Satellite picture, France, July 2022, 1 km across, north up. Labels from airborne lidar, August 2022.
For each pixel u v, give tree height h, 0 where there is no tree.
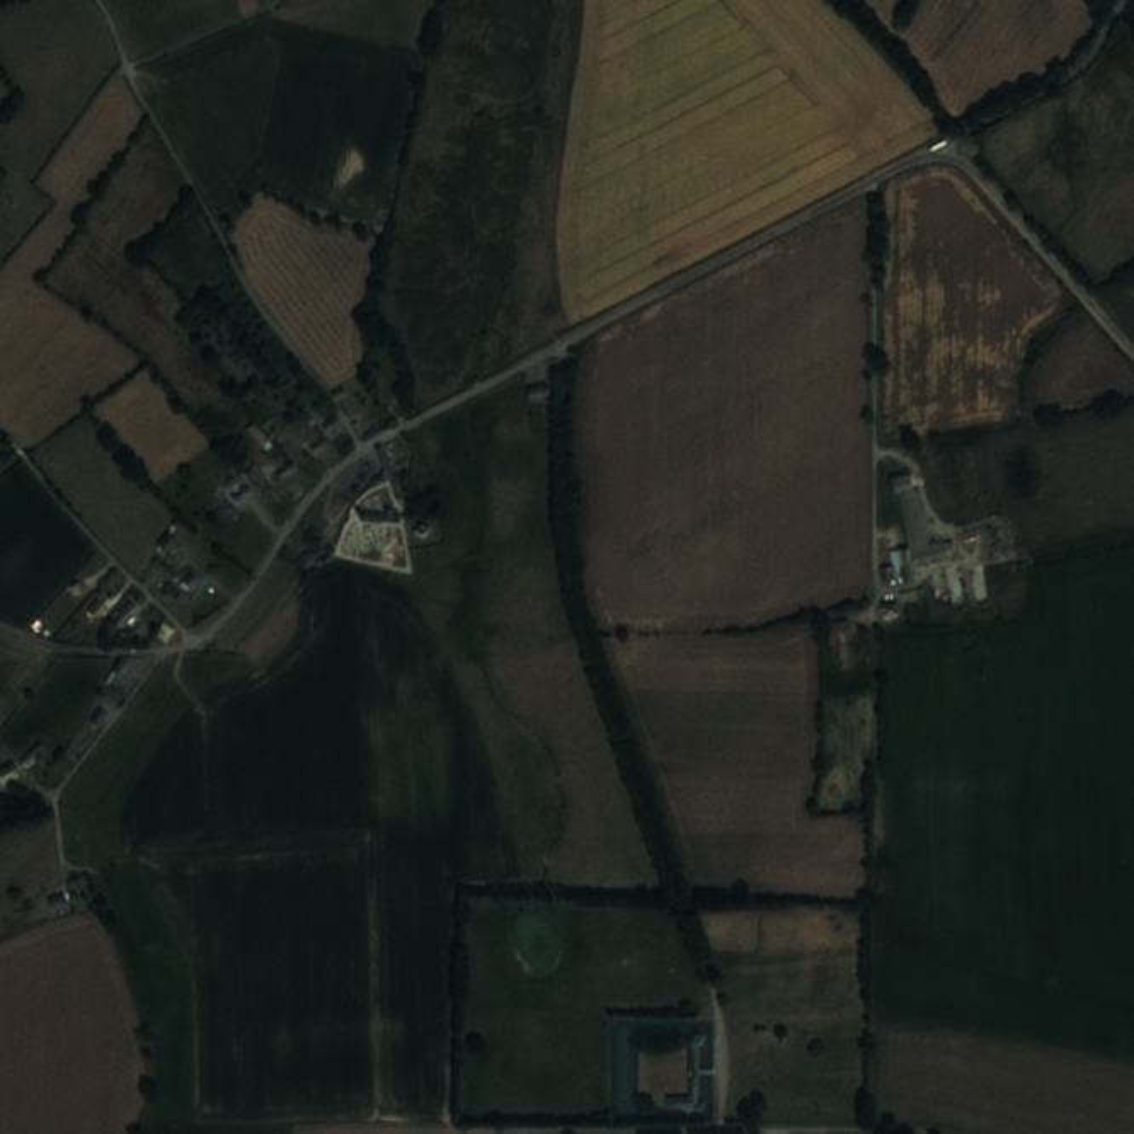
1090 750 0
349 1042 0
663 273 0
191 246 0
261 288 0
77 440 0
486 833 0
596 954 0
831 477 0
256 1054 0
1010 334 0
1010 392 0
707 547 0
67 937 0
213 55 0
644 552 0
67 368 0
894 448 0
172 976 0
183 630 0
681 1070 0
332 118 0
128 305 0
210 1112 0
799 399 0
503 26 0
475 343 0
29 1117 0
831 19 0
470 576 0
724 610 0
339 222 15
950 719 0
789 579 0
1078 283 12
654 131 0
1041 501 0
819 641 10
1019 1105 0
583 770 0
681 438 0
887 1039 0
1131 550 0
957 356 0
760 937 0
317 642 0
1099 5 13
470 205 0
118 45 0
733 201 0
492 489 0
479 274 0
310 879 0
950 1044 0
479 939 0
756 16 0
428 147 0
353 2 0
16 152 0
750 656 0
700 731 0
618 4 0
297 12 0
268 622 0
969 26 0
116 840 0
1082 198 0
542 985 0
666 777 0
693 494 0
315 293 0
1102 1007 0
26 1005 0
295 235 0
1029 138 0
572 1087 0
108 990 0
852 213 0
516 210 0
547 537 0
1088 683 0
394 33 0
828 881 0
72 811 0
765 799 0
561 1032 0
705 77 0
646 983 0
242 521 0
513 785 0
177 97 0
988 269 0
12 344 0
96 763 0
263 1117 0
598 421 0
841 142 0
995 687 0
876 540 0
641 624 0
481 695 0
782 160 0
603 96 0
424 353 0
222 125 0
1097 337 0
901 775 0
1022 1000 0
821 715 8
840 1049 0
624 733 20
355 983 0
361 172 0
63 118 0
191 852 0
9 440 16
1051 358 0
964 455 0
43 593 0
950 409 0
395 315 0
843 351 0
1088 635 0
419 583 0
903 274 0
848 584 0
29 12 0
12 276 0
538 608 0
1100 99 0
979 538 0
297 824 0
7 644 0
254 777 0
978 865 0
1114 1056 0
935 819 0
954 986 0
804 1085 0
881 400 0
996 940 0
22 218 0
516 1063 0
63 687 0
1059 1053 0
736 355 0
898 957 0
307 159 0
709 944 17
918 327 0
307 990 0
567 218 0
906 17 11
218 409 0
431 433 0
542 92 0
